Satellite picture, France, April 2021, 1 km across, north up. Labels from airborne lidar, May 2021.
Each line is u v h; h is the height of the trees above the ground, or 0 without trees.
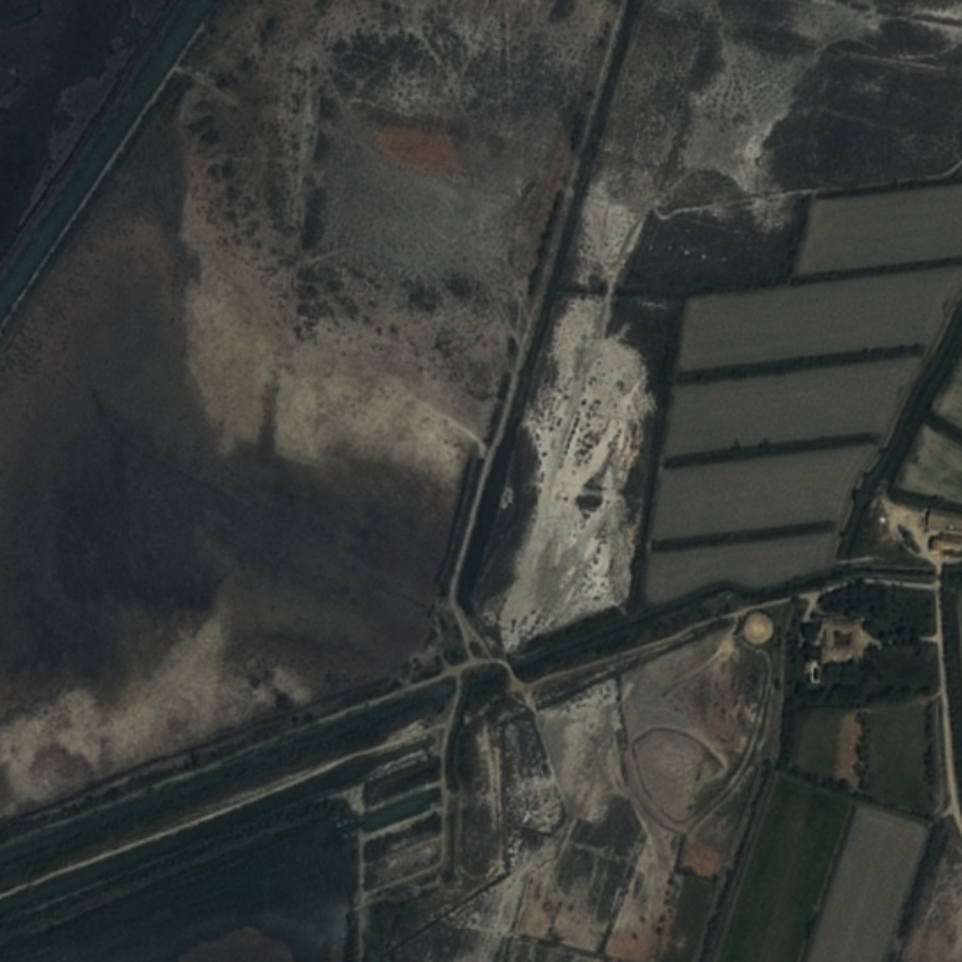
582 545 0
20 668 0
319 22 0
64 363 0
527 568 0
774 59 0
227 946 0
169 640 0
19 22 0
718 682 0
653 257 0
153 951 0
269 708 0
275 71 0
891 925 0
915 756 0
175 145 0
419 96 0
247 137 0
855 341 0
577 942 0
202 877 0
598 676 0
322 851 0
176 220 0
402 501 0
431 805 0
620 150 0
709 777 0
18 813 0
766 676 0
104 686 0
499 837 0
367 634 0
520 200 0
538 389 0
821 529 0
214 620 0
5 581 0
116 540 0
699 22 0
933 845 9
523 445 0
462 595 0
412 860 0
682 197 0
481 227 0
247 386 0
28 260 0
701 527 0
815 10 0
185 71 0
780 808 0
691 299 0
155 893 0
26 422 0
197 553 0
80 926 0
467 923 0
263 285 0
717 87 0
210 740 0
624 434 0
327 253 0
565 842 0
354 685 0
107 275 0
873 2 0
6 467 0
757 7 0
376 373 0
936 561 0
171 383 0
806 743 0
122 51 0
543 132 0
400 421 0
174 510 0
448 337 0
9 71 0
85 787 0
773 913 0
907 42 0
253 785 0
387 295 0
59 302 0
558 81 0
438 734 0
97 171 0
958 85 0
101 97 0
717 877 8
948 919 0
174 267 0
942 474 0
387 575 0
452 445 0
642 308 0
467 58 0
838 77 0
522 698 0
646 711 0
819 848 0
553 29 0
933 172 0
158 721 0
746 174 0
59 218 0
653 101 0
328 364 0
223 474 0
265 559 0
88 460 0
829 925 0
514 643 0
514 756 0
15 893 0
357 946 6
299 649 0
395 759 0
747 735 0
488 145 0
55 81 0
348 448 0
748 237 0
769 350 0
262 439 0
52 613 0
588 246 0
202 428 0
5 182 0
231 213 0
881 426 0
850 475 0
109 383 0
